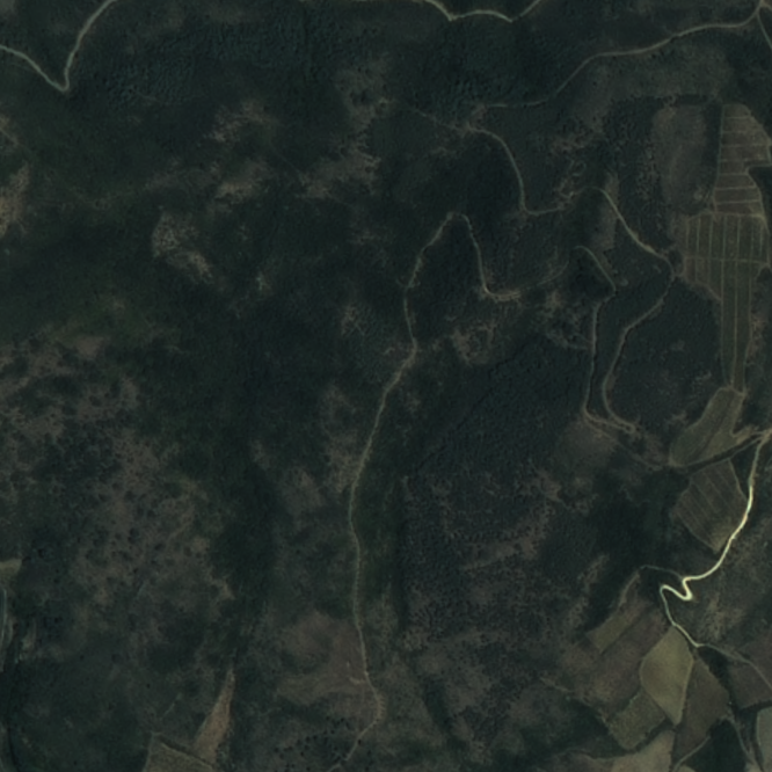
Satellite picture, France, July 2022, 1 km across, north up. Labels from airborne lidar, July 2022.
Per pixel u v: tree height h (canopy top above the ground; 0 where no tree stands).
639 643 0
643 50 0
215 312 6
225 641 6
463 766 6
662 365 6
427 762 0
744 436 0
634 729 0
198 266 0
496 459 7
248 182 0
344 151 6
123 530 0
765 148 0
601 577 5
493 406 8
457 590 7
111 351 7
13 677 6
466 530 6
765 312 0
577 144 6
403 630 6
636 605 0
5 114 0
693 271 0
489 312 7
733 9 6
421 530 8
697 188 0
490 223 8
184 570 0
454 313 7
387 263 6
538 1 0
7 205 0
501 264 6
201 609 0
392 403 7
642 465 0
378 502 6
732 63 7
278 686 0
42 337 0
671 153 0
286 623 0
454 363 7
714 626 0
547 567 6
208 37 7
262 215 6
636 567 8
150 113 6
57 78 6
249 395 6
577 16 8
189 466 7
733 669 0
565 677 0
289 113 8
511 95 9
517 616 6
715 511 0
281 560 0
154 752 0
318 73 11
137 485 0
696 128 0
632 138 8
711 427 0
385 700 0
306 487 0
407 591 6
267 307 8
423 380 8
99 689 0
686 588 0
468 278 7
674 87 0
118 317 0
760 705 6
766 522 0
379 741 0
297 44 11
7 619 0
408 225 9
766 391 0
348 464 0
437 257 8
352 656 0
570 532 7
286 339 5
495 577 6
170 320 8
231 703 6
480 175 8
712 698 0
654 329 6
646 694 0
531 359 8
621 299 6
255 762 0
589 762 0
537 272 6
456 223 10
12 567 0
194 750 0
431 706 10
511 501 7
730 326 0
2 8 0
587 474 0
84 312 0
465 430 7
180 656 6
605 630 0
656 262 6
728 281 0
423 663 0
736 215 0
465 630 8
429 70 9
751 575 0
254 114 0
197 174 0
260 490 10
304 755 9
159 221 0
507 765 6
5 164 0
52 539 8
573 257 7
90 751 0
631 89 0
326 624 0
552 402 6
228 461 7
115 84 7
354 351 6
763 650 0
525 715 0
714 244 0
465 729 0
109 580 6
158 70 6
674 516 0
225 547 6
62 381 6
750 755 0
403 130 6
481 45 5
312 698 0
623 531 6
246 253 7
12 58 8
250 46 9
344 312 0
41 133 0
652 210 6
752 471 0
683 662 0
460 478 6
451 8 6
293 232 6
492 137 6
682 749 0
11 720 11
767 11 0
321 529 0
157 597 0
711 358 6
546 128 6
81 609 0
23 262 0
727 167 0
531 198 7
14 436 6
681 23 0
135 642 0
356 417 6
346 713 0
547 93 6
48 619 9
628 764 0
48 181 0
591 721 0
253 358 5
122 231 6
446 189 7
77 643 0
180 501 0
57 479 6
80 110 6
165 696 0
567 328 6
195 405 9
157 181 0
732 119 0
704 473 0
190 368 6
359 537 6
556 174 8
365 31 8
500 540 6
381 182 7
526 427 6
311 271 8
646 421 6
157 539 0
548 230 5
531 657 0
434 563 7
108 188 0
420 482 8
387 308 8
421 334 9
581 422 0
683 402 6
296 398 7
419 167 7
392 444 7
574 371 7
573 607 0
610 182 0
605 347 7
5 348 0
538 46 6
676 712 0
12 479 7
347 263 6
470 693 0
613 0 6
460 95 6
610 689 0
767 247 0
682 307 6
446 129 6
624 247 6
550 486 0
